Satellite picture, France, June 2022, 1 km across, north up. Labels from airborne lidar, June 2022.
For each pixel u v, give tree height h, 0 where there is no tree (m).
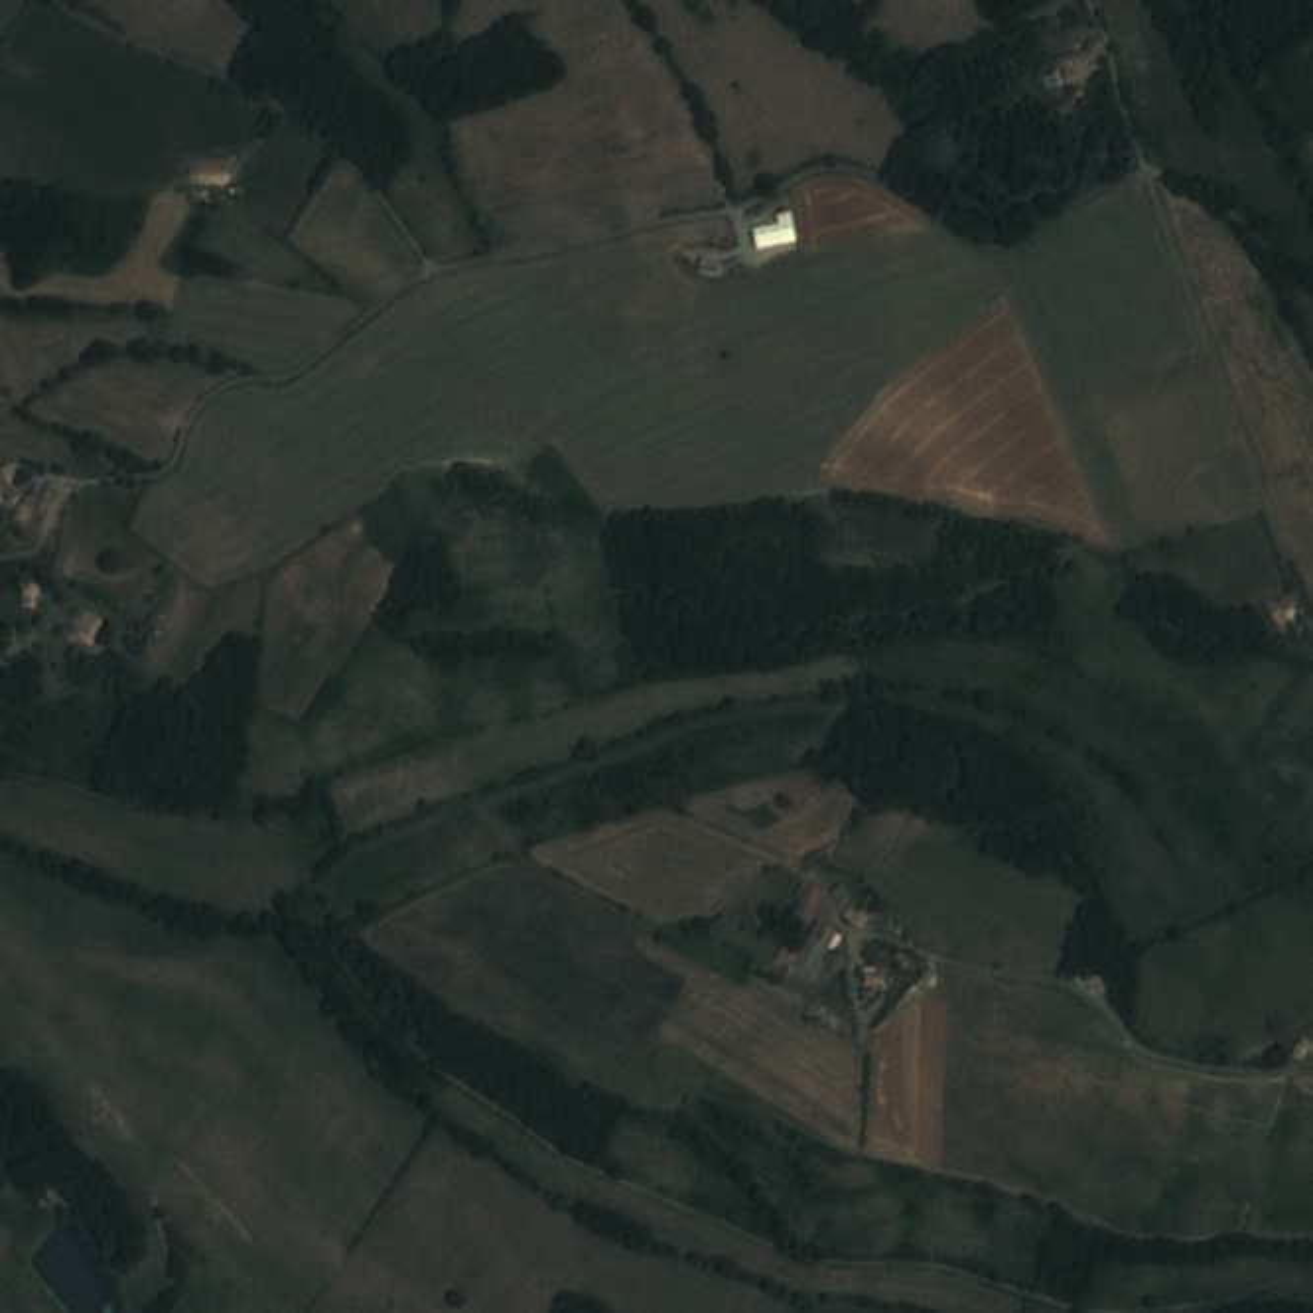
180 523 0
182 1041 0
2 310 8
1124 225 0
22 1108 20
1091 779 0
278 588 0
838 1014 0
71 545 0
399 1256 0
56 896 0
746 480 0
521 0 0
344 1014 23
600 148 0
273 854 0
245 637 14
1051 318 0
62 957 0
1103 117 14
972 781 18
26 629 8
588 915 0
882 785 18
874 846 0
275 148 0
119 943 0
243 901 0
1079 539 7
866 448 0
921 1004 0
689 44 0
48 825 0
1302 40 12
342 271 0
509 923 0
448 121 14
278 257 0
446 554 12
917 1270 0
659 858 0
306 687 0
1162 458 0
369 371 0
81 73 0
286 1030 0
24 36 0
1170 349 0
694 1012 0
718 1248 0
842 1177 0
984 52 6
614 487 0
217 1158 0
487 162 0
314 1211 0
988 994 0
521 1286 0
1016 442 0
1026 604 15
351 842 8
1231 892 0
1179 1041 0
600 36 0
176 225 0
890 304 0
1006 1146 0
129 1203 12
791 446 0
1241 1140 0
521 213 0
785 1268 0
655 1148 0
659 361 0
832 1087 0
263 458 0
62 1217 17
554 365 0
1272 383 0
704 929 9
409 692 0
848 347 0
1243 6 25
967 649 0
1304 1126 0
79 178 0
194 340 0
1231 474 0
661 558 16
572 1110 19
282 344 0
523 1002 0
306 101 18
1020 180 13
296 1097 0
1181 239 0
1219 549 0
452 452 0
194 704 15
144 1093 0
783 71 0
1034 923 0
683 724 7
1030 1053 0
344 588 0
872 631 17
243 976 0
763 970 6
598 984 0
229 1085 0
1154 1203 0
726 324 0
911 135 16
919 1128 0
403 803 0
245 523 0
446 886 0
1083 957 14
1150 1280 0
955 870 0
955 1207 0
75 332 0
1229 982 0
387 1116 0
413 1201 0
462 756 0
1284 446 0
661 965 0
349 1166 0
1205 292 0
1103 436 0
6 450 0
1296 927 0
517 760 0
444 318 0
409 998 7
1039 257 0
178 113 0
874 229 0
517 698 0
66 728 0
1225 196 14
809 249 0
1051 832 15
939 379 0
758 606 14
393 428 0
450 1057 15
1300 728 0
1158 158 0
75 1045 0
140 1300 0
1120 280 0
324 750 0
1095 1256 11
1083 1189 0
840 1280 0
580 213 0
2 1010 0
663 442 0
